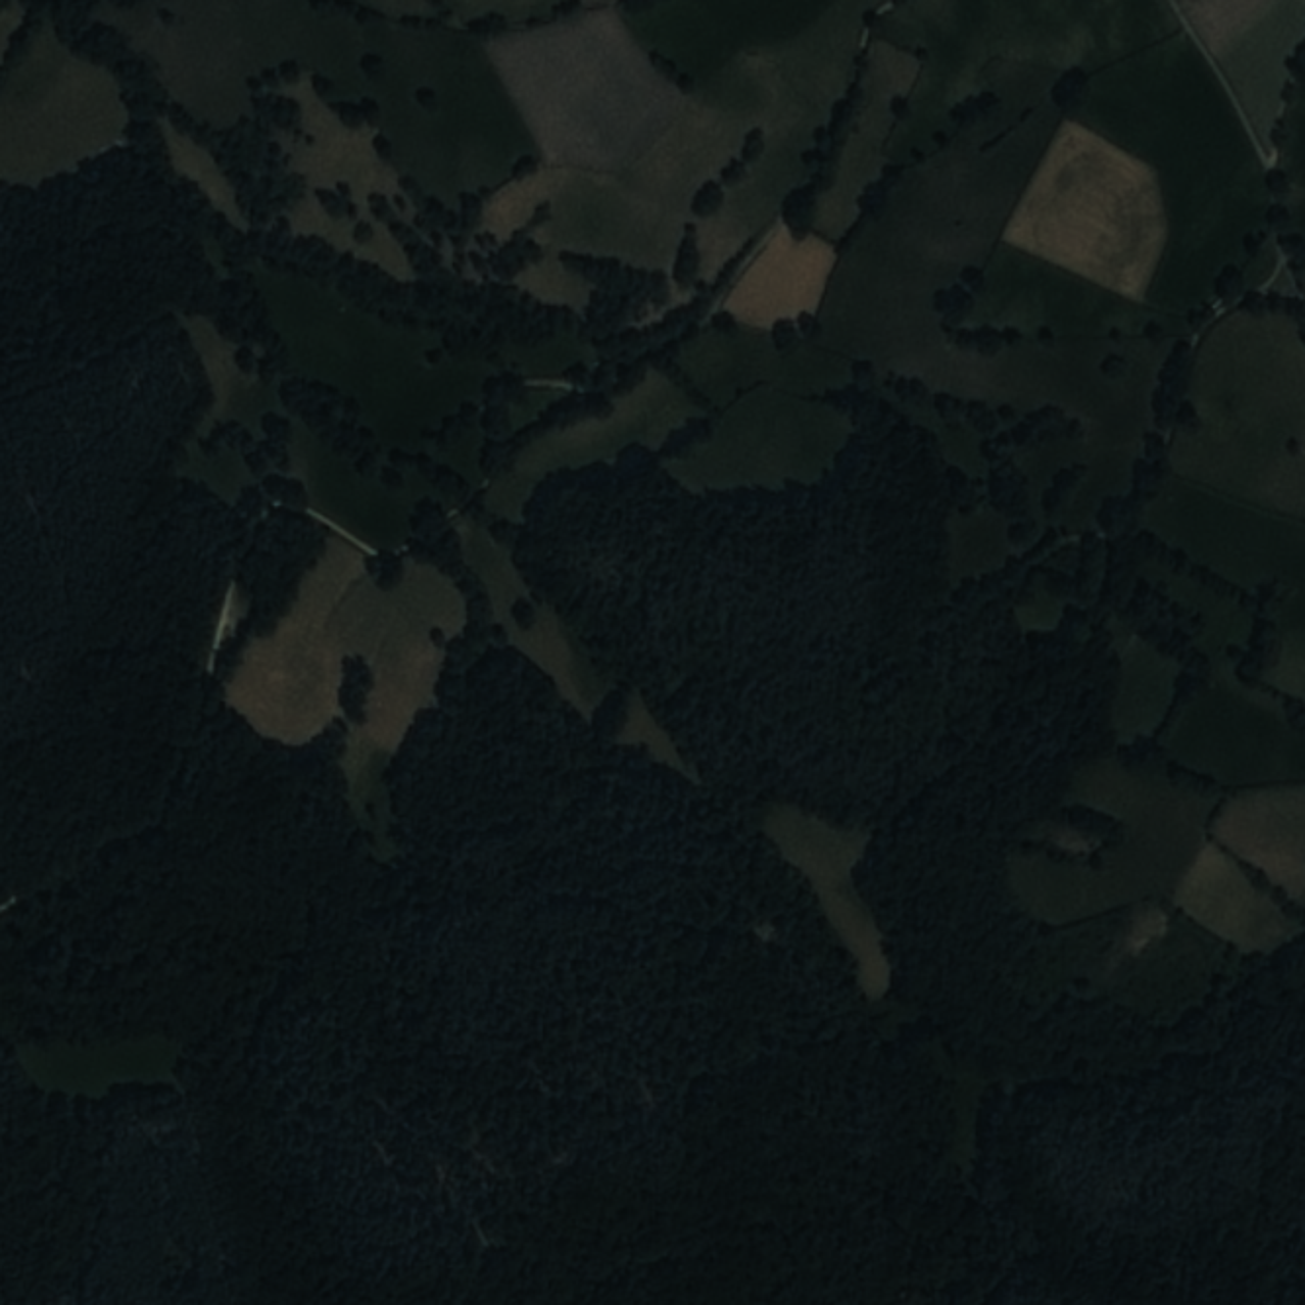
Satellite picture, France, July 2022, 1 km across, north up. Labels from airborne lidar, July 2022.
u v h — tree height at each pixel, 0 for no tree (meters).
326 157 0
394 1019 28
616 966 30
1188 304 0
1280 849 0
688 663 17
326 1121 23
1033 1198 24
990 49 0
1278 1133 20
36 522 22
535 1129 24
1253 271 0
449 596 0
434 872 17
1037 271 0
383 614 0
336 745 17
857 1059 23
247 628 18
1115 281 0
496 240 14
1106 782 0
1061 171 0
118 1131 24
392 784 15
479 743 9
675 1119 21
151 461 18
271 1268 23
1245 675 14
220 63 0
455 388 0
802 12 0
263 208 11
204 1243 17
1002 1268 14
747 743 26
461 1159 26
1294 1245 17
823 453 0
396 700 0
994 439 15
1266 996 21
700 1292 18
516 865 16
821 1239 22
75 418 21
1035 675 27
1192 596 0
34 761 25
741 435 0
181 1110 19
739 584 20
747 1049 8
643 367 13
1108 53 0
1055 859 10
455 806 14
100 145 0
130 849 24
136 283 21
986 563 0
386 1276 27
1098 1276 28
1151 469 19
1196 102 0
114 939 27
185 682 23
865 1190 23
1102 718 21
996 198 0
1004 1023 20
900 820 21
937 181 0
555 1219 18
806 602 25
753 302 0
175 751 23
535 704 27
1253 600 11
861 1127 24
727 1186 16
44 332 17
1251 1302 26
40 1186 19
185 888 24
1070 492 12
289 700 0
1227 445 0
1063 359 0
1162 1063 11
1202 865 0
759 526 20
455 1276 30
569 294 0
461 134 0
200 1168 14
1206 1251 26
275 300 0
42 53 0
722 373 0
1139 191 0
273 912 26
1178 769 18
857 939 0
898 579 19
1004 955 23
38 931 6
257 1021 14
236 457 0
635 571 11
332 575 0
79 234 19
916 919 20
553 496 24
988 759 25
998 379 0
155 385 20
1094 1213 27
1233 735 0
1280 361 0
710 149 0
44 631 24
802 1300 18
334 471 0
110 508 22
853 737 12
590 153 0
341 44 0
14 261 20
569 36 0
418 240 6
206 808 26
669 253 0
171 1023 19
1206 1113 19
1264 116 0
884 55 0
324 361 0
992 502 11
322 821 28
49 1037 20
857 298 0
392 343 0
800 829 0
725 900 16
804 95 0
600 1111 27
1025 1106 22
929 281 0
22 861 23
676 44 0
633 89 0
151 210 20
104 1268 19
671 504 23
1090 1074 20
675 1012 28
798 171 0
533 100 0
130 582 25
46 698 19
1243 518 0
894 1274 22
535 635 0
